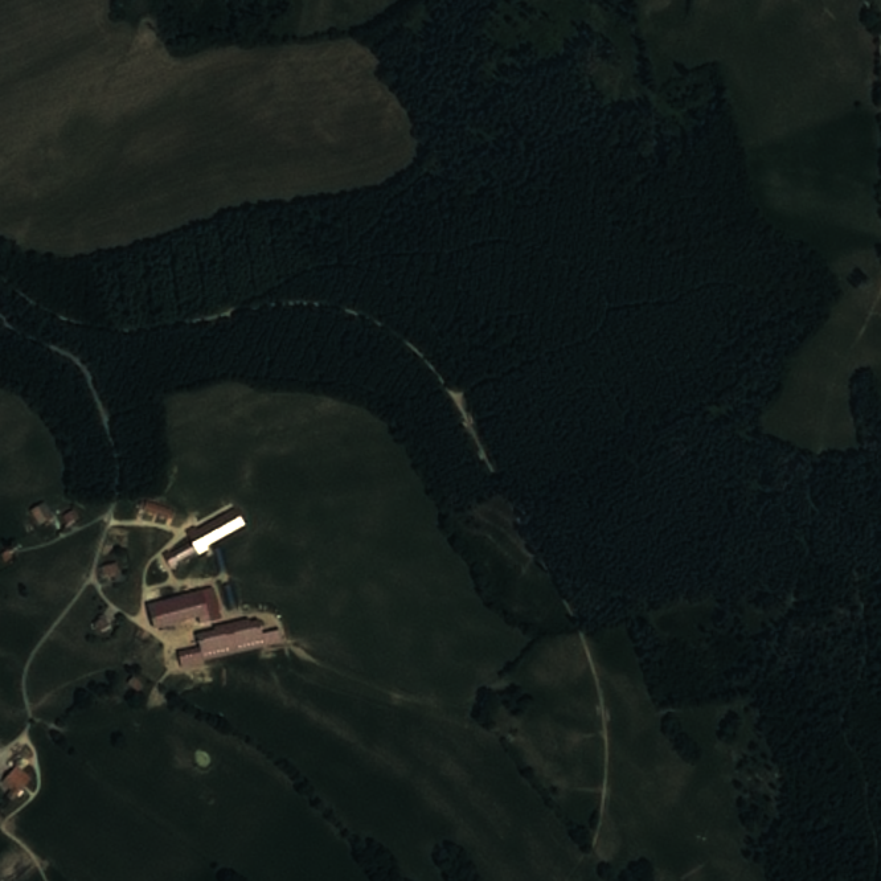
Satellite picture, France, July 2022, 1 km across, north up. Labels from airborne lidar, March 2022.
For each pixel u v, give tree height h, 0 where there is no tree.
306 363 14
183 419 0
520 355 12
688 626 0
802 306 16
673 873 0
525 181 19
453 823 0
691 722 0
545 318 18
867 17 15
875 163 0
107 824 0
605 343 19
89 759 0
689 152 15
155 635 0
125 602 0
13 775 0
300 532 0
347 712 0
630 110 33
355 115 0
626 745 0
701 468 27
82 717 0
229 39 11
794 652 9
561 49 0
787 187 0
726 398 24
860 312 0
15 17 0
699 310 19
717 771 0
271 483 0
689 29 0
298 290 16
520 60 29
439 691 0
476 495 17
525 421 21
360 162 0
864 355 0
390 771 0
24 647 0
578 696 0
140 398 16
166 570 0
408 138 0
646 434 26
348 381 12
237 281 16
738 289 18
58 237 0
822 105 0
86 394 12
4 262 13
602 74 0
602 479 23
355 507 0
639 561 25
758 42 0
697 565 25
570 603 25
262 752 7
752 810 6
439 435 19
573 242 16
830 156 0
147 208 0
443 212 23
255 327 16
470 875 25
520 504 22
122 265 20
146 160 0
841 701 7
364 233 14
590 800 0
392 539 0
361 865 15
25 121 0
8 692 0
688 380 19
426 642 0
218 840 0
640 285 18
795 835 9
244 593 0
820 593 21
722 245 19
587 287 17
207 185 0
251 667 0
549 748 0
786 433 0
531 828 0
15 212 0
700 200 18
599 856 0
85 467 17
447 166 31
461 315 18
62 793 0
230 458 0
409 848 0
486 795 0
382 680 0
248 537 0
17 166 0
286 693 0
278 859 0
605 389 18
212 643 0
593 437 23
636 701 0
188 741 0
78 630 0
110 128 0
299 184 0
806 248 15
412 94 26
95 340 14
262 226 18
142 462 15
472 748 0
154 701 0
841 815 7
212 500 0
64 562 0
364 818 0
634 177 17
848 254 0
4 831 0
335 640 0
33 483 0
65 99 0
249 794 0
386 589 0
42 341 10
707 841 0
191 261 18
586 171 15
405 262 11
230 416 0
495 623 0
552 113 33
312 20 0
